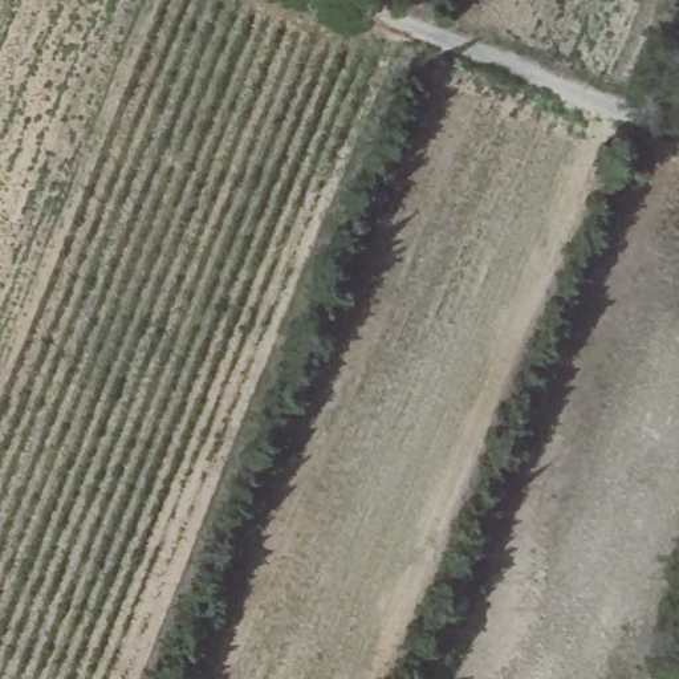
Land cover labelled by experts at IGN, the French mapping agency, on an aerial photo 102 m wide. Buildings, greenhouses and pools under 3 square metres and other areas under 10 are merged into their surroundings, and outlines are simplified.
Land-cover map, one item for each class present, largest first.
<instances>
[{"label":"vineyard","instance_id":"1","mask_svg":"<svg viewBox=\"0 0 679 679\"><path fill-rule=\"evenodd\" d=\"M414 40L387 42L371 29L358 32L353 37H342L332 32L324 21H318L316 13H297L268 0H0V679H141L154 658L162 623L175 599L180 576L196 544L199 528L204 523L210 499L217 488L223 464L233 451L241 419L249 408L252 393L268 363V355L278 342L281 321L289 310L302 268L316 244L324 215L342 183L350 151L355 149L363 133L366 117L377 103L379 90L398 72L406 69L416 56L411 50ZM422 3V0H379L385 11H390L398 19L406 16L414 5Z\"/></svg>","mask_w":679,"mask_h":679},{"label":"agricultural land","instance_id":"2","mask_svg":"<svg viewBox=\"0 0 679 679\"><path fill-rule=\"evenodd\" d=\"M679 3V0H483L472 5L462 19L438 21L435 11L422 3L414 5L406 16L432 21L443 29L472 37L480 45H493L499 50L517 53L528 61H536L557 77L576 80L599 93L623 98L629 93L626 80L631 77L637 58L645 48L647 29L663 21H674ZM411 50L416 56L406 69L411 77H419L422 82L432 80L438 88L451 85L456 93L443 117L440 133L427 146V162L411 175V191L403 199L401 210L393 215L395 220H408V225L395 236L393 244L395 257L401 263H395L382 276V286L377 289L371 302V316L363 321L358 337L345 350L342 369L332 385V398L324 403L321 414L313 422V438L305 446V462L289 480L292 493L281 501V507L273 512L265 528L268 557L252 576V591L244 602V615L236 626L233 647L225 658V674L231 679H385L395 666L398 645L406 637L408 623L414 621L419 599L424 597L430 581L438 573L440 557L448 544L451 520L456 517L464 496H469V480L485 448V432L496 419L499 403L509 393L512 374L520 363L523 347L533 332L536 318L544 310L546 297L554 292V273L565 263L562 247L573 239L586 215V196L597 188V151L605 141L586 130L589 125L565 122L562 117L549 111L544 117H533V103L523 106L520 117H512L509 111L515 101L493 93L488 74H472L467 69L454 72L456 53L451 50L430 45L424 40H414ZM610 305L605 308L586 345L573 361L576 377L570 379V395L557 416L552 440L546 443L538 464L533 467L536 480H530L525 501L515 517L509 538L512 568L504 570L501 581L488 597L485 629L475 637L472 650L459 668L462 679H642L647 674V655L652 652L658 605L666 594L663 568L668 565L679 538V154L655 167L650 194L642 210L637 212L634 225L626 233V249L618 255V263L607 276Z\"/></svg>","mask_w":679,"mask_h":679},{"label":"deciduous trees","instance_id":"3","mask_svg":"<svg viewBox=\"0 0 679 679\"><path fill-rule=\"evenodd\" d=\"M297 13H316L318 21H324L332 32L342 37H353L358 32L371 29L377 13L385 11L379 0H268ZM422 3L435 11L438 21L462 19L472 5L483 0H422ZM629 93L623 98L626 119L618 122L615 133L605 141L597 151V188L586 196V215L573 239L562 247L565 263L554 273V292L546 297L544 310L536 318L533 332L523 347L520 363L512 374L509 393L499 403L496 419L485 432V448L469 480V496H464L456 517L451 520L448 544L440 557L438 573L430 581L424 597L419 599L414 621L408 623L406 637L398 645L395 666L385 679H462L459 668L472 650L475 637L485 629L488 597L501 581L504 570L512 568L509 538L515 517L525 501L530 480H536L533 467L538 464L546 443L552 440L557 416L570 395V379L576 377L573 361L586 345L605 308L610 305L607 276L618 263V255L626 249V233L634 225L637 212L642 210L650 194L655 167L679 154V3L674 21H663L647 29L645 48L637 58L631 77L626 80ZM456 93L451 85L438 88L432 80L422 82L419 77H411L406 69L398 72L379 90L377 103L366 117L363 133L355 149L350 151L342 183L324 215L316 244L302 268L289 310L281 321L278 342L268 355V363L252 393L249 408L241 419L233 451L223 464L217 488L210 499L204 523L199 528L196 544L180 576L175 599L162 623L154 658L141 679H231L225 674V658L233 647L236 626L244 615V602L252 591V576L268 557L265 528L273 512L281 507V501L292 493L289 480L305 462V446L313 438V422L321 414L324 403L332 398V385L342 369L345 350L358 337L363 321L371 316V302L377 289L382 286V276L395 263H401L395 257L393 244L395 236L408 225V220H395L393 215L401 210L403 199L411 191V175L427 162V146L440 133L443 117ZM666 594L658 605L652 652L647 655V674L642 679H679V538L668 565L663 568Z\"/></svg>","mask_w":679,"mask_h":679},{"label":"pervious surface","instance_id":"4","mask_svg":"<svg viewBox=\"0 0 679 679\"><path fill-rule=\"evenodd\" d=\"M371 29L387 42L414 40H424L430 45L451 50L456 48L459 53H467L475 61L501 64L509 72L525 77L528 82L554 90L568 109H581L589 125L586 130L605 141L615 133L618 122L626 119L623 98L599 93L576 80L557 77L536 61H528L517 53L499 50L493 45H480L472 37L443 29L432 21L406 16L398 19L390 11H385L377 13Z\"/></svg>","mask_w":679,"mask_h":679},{"label":"brushwood","instance_id":"5","mask_svg":"<svg viewBox=\"0 0 679 679\"><path fill-rule=\"evenodd\" d=\"M451 50L456 53L454 72L467 69L472 74H488L493 93L515 101L509 111L512 117H520L523 106L533 103V117H544L549 111L562 117L565 122L589 125L581 109H568L554 90L528 82L525 77L509 72L501 64L475 61L467 53H459L456 48Z\"/></svg>","mask_w":679,"mask_h":679}]
</instances>
